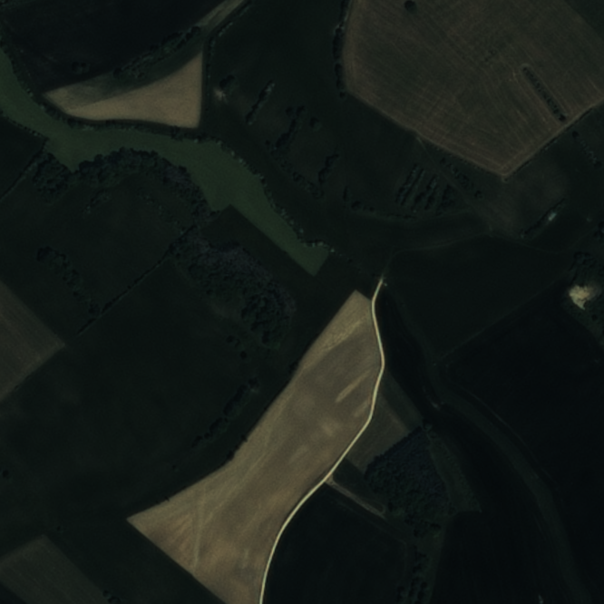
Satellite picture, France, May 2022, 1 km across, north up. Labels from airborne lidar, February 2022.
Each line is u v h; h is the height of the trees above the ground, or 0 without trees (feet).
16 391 0
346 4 22
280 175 0
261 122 0
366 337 0
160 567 0
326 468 0
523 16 0
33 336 0
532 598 0
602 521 0
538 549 0
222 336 0
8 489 0
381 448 0
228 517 0
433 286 0
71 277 45
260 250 0
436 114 0
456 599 0
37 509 0
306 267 0
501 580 0
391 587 0
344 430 0
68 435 0
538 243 0
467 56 0
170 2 0
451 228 0
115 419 0
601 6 0
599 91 0
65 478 0
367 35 0
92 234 0
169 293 0
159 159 52
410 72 0
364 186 0
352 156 0
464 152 0
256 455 0
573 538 0
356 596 0
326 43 0
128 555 0
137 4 0
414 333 0
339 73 41
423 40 0
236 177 0
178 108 0
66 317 0
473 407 0
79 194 0
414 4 40
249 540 0
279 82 0
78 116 0
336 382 0
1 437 0
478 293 0
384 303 0
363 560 0
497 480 0
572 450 0
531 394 0
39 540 0
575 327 0
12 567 0
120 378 0
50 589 0
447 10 0
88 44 0
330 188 0
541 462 0
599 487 0
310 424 0
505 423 0
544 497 0
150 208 0
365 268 0
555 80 0
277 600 0
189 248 54
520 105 0
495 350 0
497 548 0
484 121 0
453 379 0
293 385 0
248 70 0
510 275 0
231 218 0
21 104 0
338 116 0
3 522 0
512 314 0
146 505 0
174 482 0
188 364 0
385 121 0
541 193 0
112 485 0
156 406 0
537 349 0
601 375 0
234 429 0
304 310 0
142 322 0
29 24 0
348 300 0
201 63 0
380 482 56
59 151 0
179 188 38
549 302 0
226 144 22
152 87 0
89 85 0
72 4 0
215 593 0
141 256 0
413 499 71
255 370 0
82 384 0
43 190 41
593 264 53
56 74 0
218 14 0
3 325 0
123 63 0
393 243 0
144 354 0
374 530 0
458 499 0
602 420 0
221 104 0
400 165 0
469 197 0
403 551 0
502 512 0
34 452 0
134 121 0
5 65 0
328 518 0
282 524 0
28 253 0
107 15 0
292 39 0
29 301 0
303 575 0
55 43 0
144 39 0
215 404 0
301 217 0
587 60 0
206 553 0
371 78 0
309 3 0
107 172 79
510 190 0
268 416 0
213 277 29
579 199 0
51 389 0
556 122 0
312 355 0
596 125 0
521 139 0
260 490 0
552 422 0
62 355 0
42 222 0
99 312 49
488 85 0
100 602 0
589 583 0
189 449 0
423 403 0
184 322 0
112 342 0
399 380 0
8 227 0
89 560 0
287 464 0
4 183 0
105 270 0
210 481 0
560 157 0
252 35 0
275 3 0
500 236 0
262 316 62
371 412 0
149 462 0
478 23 0
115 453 0
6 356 0
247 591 0
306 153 0
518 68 0
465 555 0
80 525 0
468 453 0
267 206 0
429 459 53
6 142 0
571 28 0
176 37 42
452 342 0
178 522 0
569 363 0
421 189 0
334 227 0
